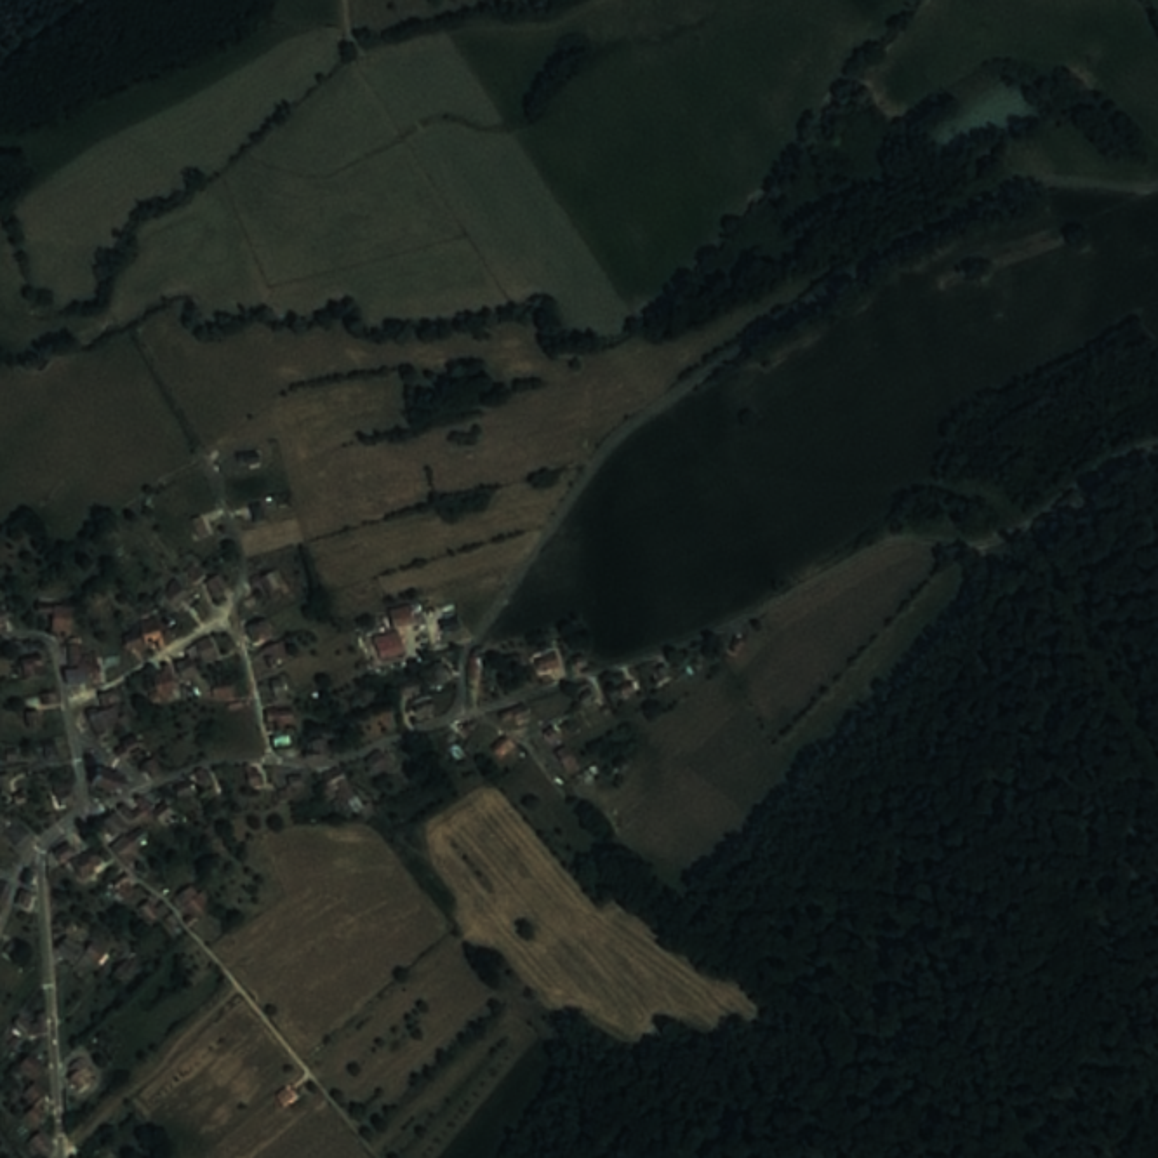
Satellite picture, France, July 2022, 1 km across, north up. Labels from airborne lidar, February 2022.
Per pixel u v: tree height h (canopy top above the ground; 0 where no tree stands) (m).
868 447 0
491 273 0
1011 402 12
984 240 0
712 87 0
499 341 0
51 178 0
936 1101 24
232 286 0
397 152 0
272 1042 0
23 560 11
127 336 0
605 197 0
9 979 0
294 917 0
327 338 0
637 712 6
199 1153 0
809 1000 30
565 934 0
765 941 30
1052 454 9
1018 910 25
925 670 26
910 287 0
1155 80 0
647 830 0
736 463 0
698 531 0
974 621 29
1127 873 29
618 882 26
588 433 0
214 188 0
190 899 0
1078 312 0
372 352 0
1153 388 11
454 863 0
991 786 28
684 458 0
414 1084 10
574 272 0
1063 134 0
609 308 0
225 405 0
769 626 0
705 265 17
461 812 0
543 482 7
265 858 0
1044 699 22
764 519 0
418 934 0
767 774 0
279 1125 0
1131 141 24
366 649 0
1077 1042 27
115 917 16
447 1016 0
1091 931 27
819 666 0
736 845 22
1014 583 26
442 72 0
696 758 0
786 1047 21
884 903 26
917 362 0
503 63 0
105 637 7
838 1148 23
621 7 0
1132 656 22
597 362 0
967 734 27
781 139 0
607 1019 0
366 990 0
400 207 0
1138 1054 26
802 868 31
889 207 24
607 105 0
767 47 0
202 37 18
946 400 0
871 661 0
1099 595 22
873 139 0
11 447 0
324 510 0
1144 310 0
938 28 0
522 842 0
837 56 0
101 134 0
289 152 0
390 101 0
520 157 0
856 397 0
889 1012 24
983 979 29
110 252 13
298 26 0
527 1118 9
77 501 0
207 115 0
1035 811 26
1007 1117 31
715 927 23
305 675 0
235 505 0
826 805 26
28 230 0
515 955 0
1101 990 26
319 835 0
